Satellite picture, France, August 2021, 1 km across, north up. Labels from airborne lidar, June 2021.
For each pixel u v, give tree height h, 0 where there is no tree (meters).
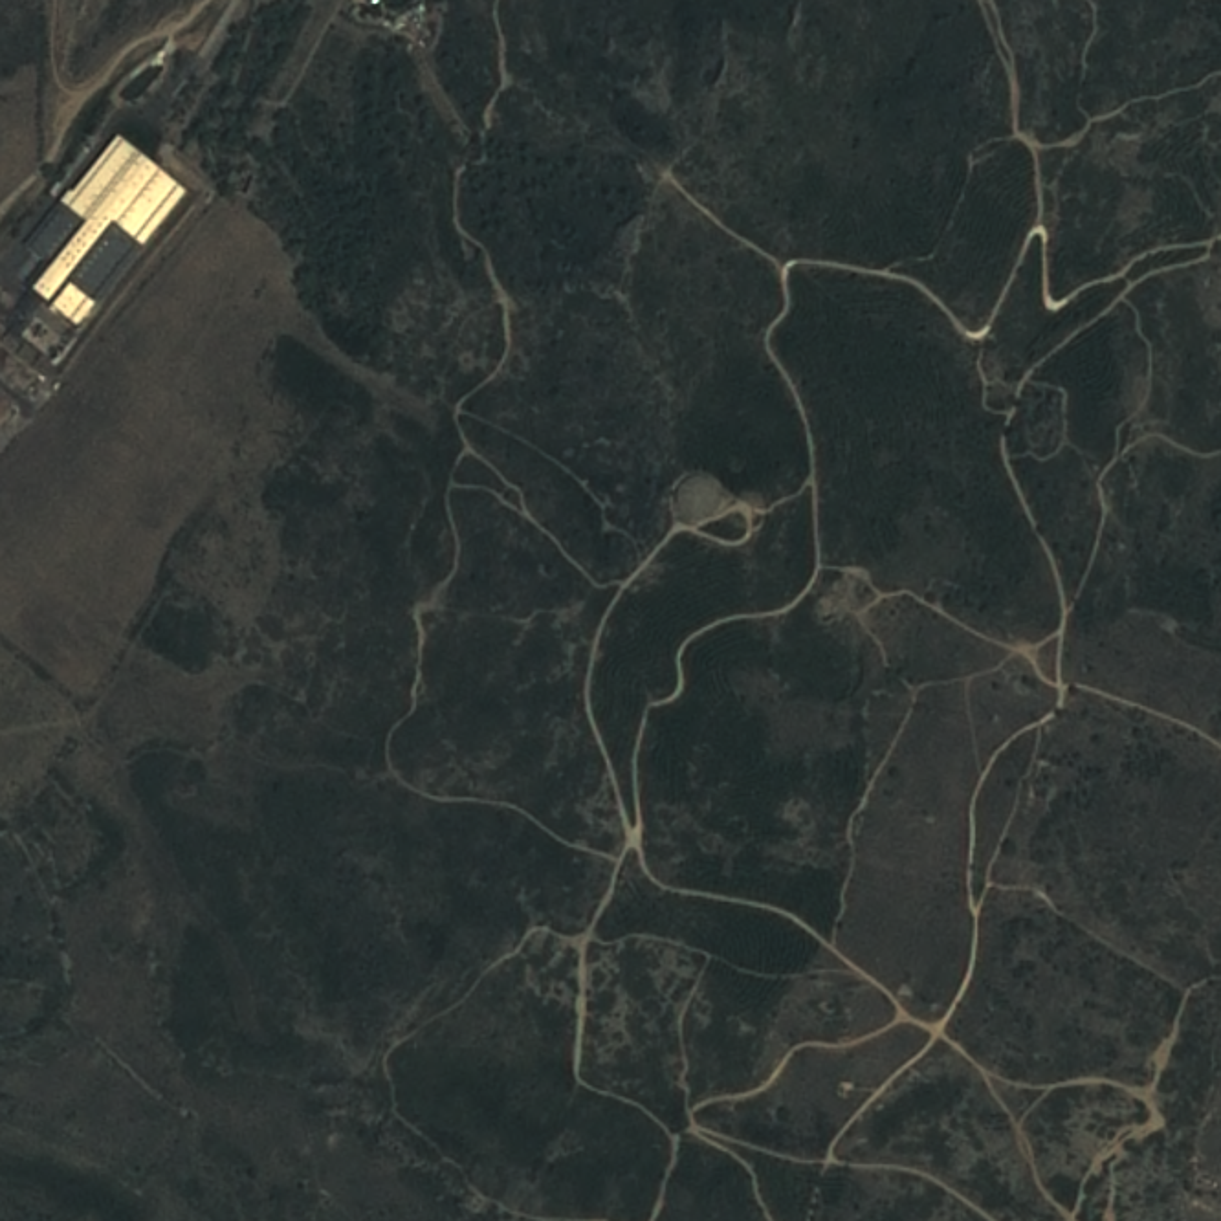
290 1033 0
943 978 0
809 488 0
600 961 0
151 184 0
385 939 0
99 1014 0
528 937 0
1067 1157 0
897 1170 0
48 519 0
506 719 0
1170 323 0
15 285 0
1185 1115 0
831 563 0
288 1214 0
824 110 0
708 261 0
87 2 0
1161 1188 0
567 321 0
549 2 0
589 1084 0
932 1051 0
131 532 0
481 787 0
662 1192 0
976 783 0
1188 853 0
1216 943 0
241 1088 0
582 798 0
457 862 0
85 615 0
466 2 0
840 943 0
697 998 0
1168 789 0
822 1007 0
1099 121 0
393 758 0
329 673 0
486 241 0
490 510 0
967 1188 0
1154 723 0
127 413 0
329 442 0
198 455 0
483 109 0
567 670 0
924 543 0
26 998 0
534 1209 0
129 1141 0
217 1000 0
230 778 0
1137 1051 0
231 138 9
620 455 0
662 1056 0
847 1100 0
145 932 0
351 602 0
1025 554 0
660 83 0
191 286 0
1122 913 0
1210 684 0
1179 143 5
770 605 0
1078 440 0
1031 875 0
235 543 0
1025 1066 0
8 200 0
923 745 0
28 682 0
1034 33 0
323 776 0
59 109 0
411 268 0
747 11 0
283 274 0
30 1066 0
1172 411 0
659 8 0
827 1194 5
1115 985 0
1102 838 0
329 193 8
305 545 0
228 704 0
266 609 0
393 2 12
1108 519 0
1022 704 0
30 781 0
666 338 0
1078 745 0
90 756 0
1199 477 0
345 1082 0
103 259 0
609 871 0
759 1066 0
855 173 0
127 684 0
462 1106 0
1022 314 0
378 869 0
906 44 0
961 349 0
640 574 0
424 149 0
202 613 0
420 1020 0
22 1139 0
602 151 0
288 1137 0
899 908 0
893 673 6
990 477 6
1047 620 0
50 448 0
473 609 0
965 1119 0
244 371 0
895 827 0
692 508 0
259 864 0
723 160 0
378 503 0
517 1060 0
